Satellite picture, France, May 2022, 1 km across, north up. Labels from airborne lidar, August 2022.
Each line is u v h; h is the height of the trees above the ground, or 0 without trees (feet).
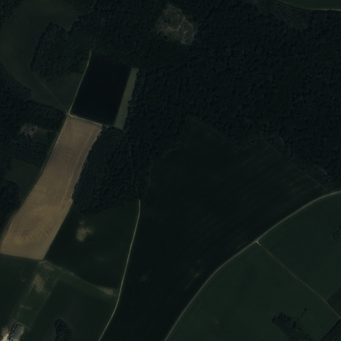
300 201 0
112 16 93
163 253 0
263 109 82
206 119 76
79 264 0
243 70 83
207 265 0
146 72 41
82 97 0
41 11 0
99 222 0
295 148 87
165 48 31
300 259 0
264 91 79
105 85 0
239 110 84
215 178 0
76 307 0
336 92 96
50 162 0
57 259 0
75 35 68
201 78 89
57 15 0
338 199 0
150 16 94
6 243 0
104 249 0
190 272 0
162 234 0
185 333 0
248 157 0
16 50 0
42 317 0
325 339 39
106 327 0
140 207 0
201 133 0
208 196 0
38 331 0
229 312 0
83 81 0
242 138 82
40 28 0
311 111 104
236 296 0
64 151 0
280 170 0
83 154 0
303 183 0
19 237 0
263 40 93
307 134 104
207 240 0
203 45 79
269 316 0
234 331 0
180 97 95
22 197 0
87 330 0
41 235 0
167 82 85
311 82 89
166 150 64
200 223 0
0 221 83
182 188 0
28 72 0
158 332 0
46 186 0
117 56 64
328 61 61
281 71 89
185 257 0
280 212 0
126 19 91
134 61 68
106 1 31
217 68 91
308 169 78
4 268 0
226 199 0
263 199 0
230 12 79
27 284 0
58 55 60
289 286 0
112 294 0
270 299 0
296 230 0
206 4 79
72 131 0
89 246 0
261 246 0
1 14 77
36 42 0
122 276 0
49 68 60
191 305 0
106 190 65
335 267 0
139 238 0
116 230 0
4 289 0
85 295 0
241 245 0
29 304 0
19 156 75
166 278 0
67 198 0
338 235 18
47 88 0
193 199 0
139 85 82
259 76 105
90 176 63
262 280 0
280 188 0
